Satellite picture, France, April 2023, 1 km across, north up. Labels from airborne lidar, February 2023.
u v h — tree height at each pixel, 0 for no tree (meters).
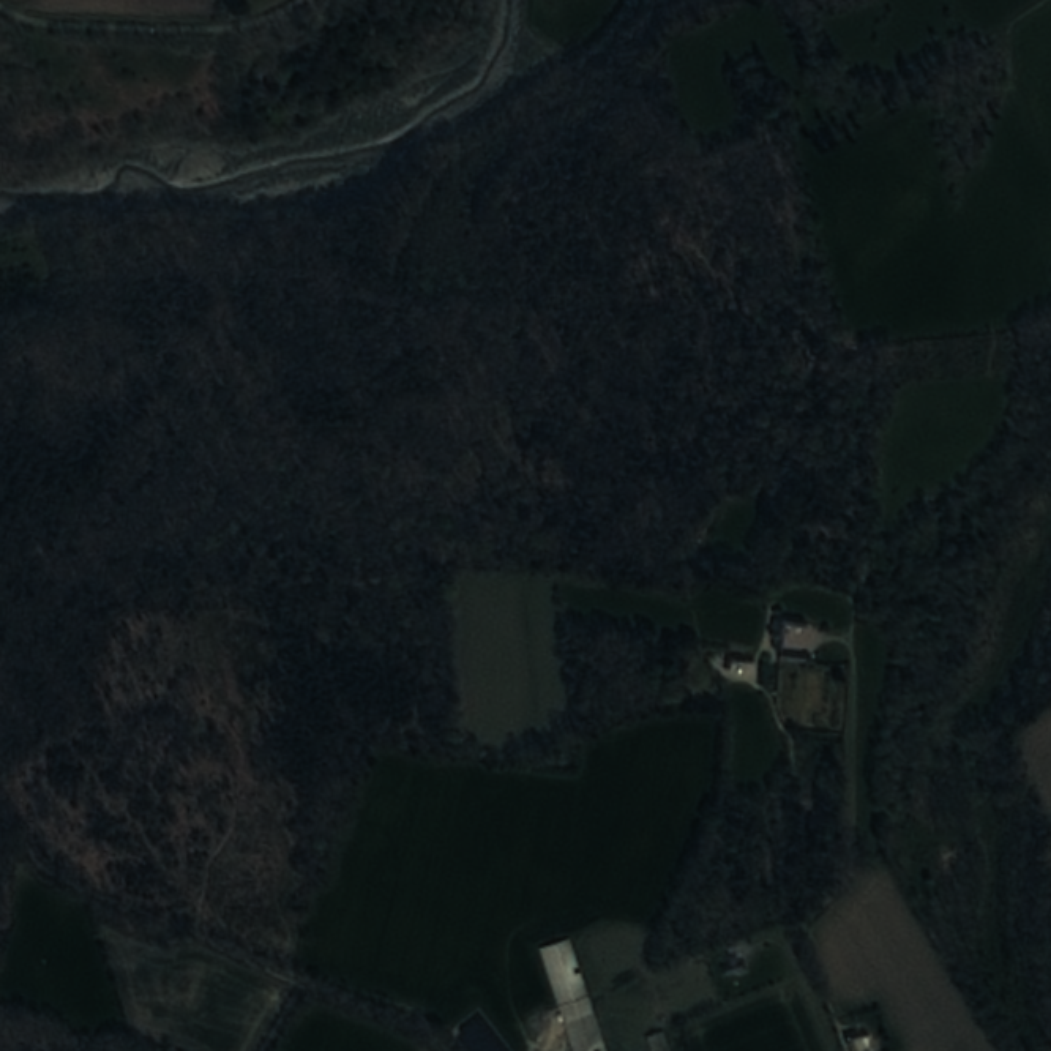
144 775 22
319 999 15
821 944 0
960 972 20
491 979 0
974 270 0
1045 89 0
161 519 17
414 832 0
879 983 0
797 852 22
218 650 0
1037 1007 20
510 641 0
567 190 25
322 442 25
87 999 0
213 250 22
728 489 23
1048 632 6
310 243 22
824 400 17
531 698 0
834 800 17
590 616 0
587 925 0
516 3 0
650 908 0
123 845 9
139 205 18
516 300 23
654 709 17
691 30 13
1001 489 20
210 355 17
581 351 19
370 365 18
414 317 17
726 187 24
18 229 15
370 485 20
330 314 24
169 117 17
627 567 23
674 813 0
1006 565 9
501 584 0
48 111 12
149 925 11
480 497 22
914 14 0
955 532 12
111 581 15
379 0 22
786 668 0
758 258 20
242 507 20
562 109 20
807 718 0
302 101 16
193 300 21
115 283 20
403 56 13
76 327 18
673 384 18
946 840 0
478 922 0
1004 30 0
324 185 0
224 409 18
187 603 13
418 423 20
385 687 21
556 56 0
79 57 10
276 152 0
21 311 22
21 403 18
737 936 11
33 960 0
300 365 19
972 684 21
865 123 0
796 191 19
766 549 21
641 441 21
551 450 27
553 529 22
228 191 0
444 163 12
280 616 12
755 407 22
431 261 15
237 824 0
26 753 17
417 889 0
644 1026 0
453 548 26
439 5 8
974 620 26
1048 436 13
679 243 22
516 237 26
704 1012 11
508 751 17
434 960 0
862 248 0
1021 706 15
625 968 0
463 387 21
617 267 20
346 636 9
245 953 20
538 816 0
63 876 16
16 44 8
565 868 0
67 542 19
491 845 0
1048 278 0
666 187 24
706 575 20
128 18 0
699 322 21
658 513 24
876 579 14
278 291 19
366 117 0
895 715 18
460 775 0
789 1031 0
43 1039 16
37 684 20
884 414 16
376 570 20
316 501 17
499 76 0
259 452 18
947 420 0
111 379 17
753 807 21
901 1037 0
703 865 20
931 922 20
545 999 0
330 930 0
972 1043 0
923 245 0
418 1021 13
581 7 0
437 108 0
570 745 17
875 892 0
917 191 0
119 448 19
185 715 22
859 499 18
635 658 21
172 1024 0
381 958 0
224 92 15
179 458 19
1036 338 20
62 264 22
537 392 19
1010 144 0
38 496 15
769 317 25
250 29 13
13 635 22
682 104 0
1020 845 20
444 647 20
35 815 10
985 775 21
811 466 16
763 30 0
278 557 14
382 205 26
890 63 0
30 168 17
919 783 27
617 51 26
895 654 24
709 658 6
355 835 0
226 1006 0
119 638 7
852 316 0
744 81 6
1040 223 0
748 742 0
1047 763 0
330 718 16
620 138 19
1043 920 21
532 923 0
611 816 0
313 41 13
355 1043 0
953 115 14
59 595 17
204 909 0
